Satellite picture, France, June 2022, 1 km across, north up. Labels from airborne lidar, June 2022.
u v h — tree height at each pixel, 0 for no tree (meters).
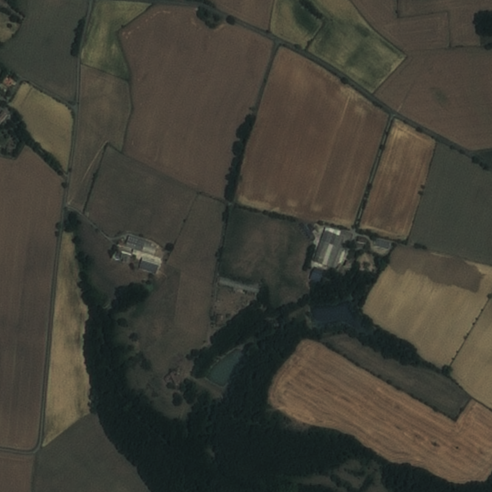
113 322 16
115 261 0
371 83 0
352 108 0
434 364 7
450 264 0
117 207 0
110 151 0
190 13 0
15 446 0
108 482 0
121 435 18
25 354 0
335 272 17
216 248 0
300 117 0
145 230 0
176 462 25
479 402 0
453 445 0
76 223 15
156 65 0
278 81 0
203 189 0
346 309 0
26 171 0
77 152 0
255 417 15
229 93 0
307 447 19
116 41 0
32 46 0
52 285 0
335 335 7
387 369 0
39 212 0
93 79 0
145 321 0
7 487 0
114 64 0
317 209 0
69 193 0
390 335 9
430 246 0
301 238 0
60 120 0
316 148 0
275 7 0
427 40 0
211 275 0
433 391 0
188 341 0
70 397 0
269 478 20
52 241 0
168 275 0
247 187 0
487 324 0
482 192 0
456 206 0
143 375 0
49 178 0
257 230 0
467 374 0
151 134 0
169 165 0
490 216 0
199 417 21
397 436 0
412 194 0
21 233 0
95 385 17
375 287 0
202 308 0
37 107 0
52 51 0
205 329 0
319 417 0
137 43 0
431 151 0
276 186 0
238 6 0
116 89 0
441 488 22
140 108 0
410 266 0
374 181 0
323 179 0
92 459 0
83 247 0
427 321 0
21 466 0
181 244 0
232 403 20
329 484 0
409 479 30
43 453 0
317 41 0
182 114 0
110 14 0
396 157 0
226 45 0
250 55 0
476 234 0
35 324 0
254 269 0
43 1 0
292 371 0
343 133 0
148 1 0
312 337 9
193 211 0
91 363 18
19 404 0
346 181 0
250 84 0
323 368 0
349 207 0
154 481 18
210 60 0
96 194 0
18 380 0
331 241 0
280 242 0
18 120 17
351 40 0
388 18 0
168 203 0
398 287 0
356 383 0
